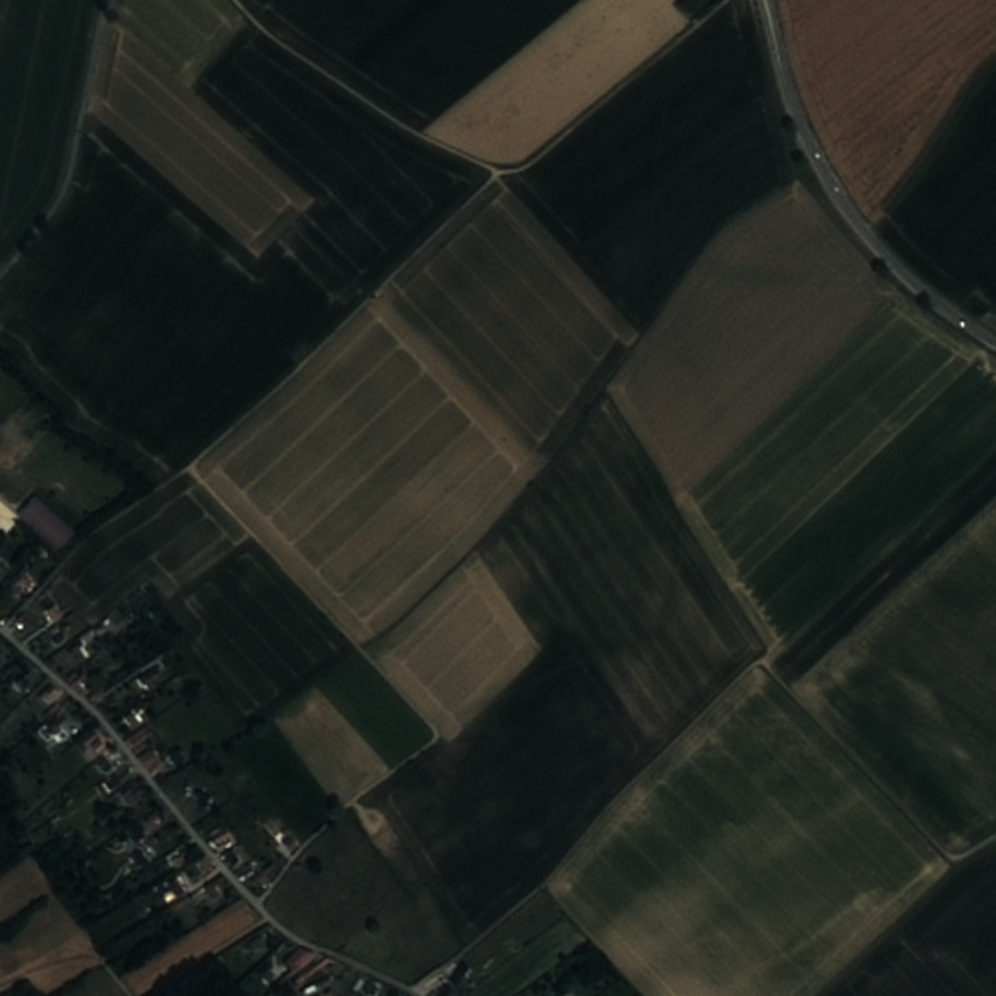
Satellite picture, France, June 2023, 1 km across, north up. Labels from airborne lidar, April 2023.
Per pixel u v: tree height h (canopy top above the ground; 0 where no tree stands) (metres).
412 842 0
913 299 0
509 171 0
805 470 0
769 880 0
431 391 0
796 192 0
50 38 0
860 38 0
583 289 0
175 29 0
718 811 0
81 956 0
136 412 0
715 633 0
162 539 0
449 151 0
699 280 0
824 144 0
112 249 0
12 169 0
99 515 6
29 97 0
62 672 8
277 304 0
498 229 0
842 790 0
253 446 0
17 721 0
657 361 0
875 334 0
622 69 0
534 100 0
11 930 10
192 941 0
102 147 0
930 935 0
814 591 0
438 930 0
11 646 9
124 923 0
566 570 0
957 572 0
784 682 0
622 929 0
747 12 0
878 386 0
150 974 0
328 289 0
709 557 0
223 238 0
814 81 0
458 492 0
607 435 0
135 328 0
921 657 0
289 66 0
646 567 0
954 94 0
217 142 0
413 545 0
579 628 0
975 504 0
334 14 0
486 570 0
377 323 0
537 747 0
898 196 0
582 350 0
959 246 0
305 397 0
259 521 0
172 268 0
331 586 0
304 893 0
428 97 0
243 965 0
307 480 0
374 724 0
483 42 0
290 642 0
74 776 0
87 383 0
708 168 0
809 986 0
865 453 0
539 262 0
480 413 0
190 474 0
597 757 0
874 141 0
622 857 0
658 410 0
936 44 0
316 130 0
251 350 0
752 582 0
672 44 0
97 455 6
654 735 0
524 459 0
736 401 0
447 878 0
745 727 0
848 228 0
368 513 0
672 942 0
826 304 0
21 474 0
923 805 0
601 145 0
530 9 0
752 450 0
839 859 0
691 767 0
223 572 0
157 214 0
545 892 0
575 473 0
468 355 0
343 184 0
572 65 0
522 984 0
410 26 0
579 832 0
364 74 0
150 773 0
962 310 0
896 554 0
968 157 0
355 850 0
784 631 0
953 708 0
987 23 0
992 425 0
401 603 0
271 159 0
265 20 0
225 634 0
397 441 0
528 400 0
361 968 0
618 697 0
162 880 6
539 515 0
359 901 0
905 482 0
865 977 0
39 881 0
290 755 0
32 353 0
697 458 0
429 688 0
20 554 8
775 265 0
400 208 0
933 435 0
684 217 0
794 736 0
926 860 0
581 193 0
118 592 0
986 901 0
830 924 0
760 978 0
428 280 0
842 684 0
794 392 0
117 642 9
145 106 0
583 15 0
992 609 0
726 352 0
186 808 0
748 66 0
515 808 0
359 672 0
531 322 0
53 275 0
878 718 0
